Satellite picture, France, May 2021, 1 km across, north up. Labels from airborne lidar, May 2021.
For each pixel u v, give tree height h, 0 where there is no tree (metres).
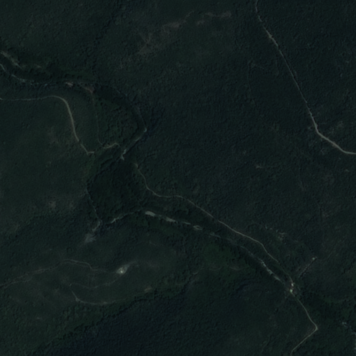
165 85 8
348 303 6
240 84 9
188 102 9
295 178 6
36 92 7
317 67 8
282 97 10
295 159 13
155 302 13
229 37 6
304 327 6
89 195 12
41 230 11
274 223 7
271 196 8
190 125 9
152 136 9
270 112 8
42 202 8
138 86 7
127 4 6
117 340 12
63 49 8
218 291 7
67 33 9
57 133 8
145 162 9
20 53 14
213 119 9
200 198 6
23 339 6
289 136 7
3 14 9
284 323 7
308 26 6
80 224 6
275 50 9
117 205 10
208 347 12
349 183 9
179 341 14
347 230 11
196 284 12
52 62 8
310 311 7
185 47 6
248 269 6
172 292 6
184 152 10
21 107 9
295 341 14
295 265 7
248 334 6
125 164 17
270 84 13
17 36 9
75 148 7
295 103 12
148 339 15
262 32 12
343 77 7
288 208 7
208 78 10
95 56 13
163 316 14
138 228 12
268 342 9
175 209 12
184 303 9
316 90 8
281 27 8
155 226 11
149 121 15
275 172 10
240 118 8
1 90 6
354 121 7
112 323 10
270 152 9
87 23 7
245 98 13
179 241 13
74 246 8
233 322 8
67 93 7
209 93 14
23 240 8
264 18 9
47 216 13
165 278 15
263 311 7
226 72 10
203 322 7
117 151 12
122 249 13
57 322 7
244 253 15
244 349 9
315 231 9
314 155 6
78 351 18
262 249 7
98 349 18
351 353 9
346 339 6
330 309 15
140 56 6
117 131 13
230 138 5
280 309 14
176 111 9
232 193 9
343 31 9
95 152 9
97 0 9
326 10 8
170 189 13
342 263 8
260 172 5
